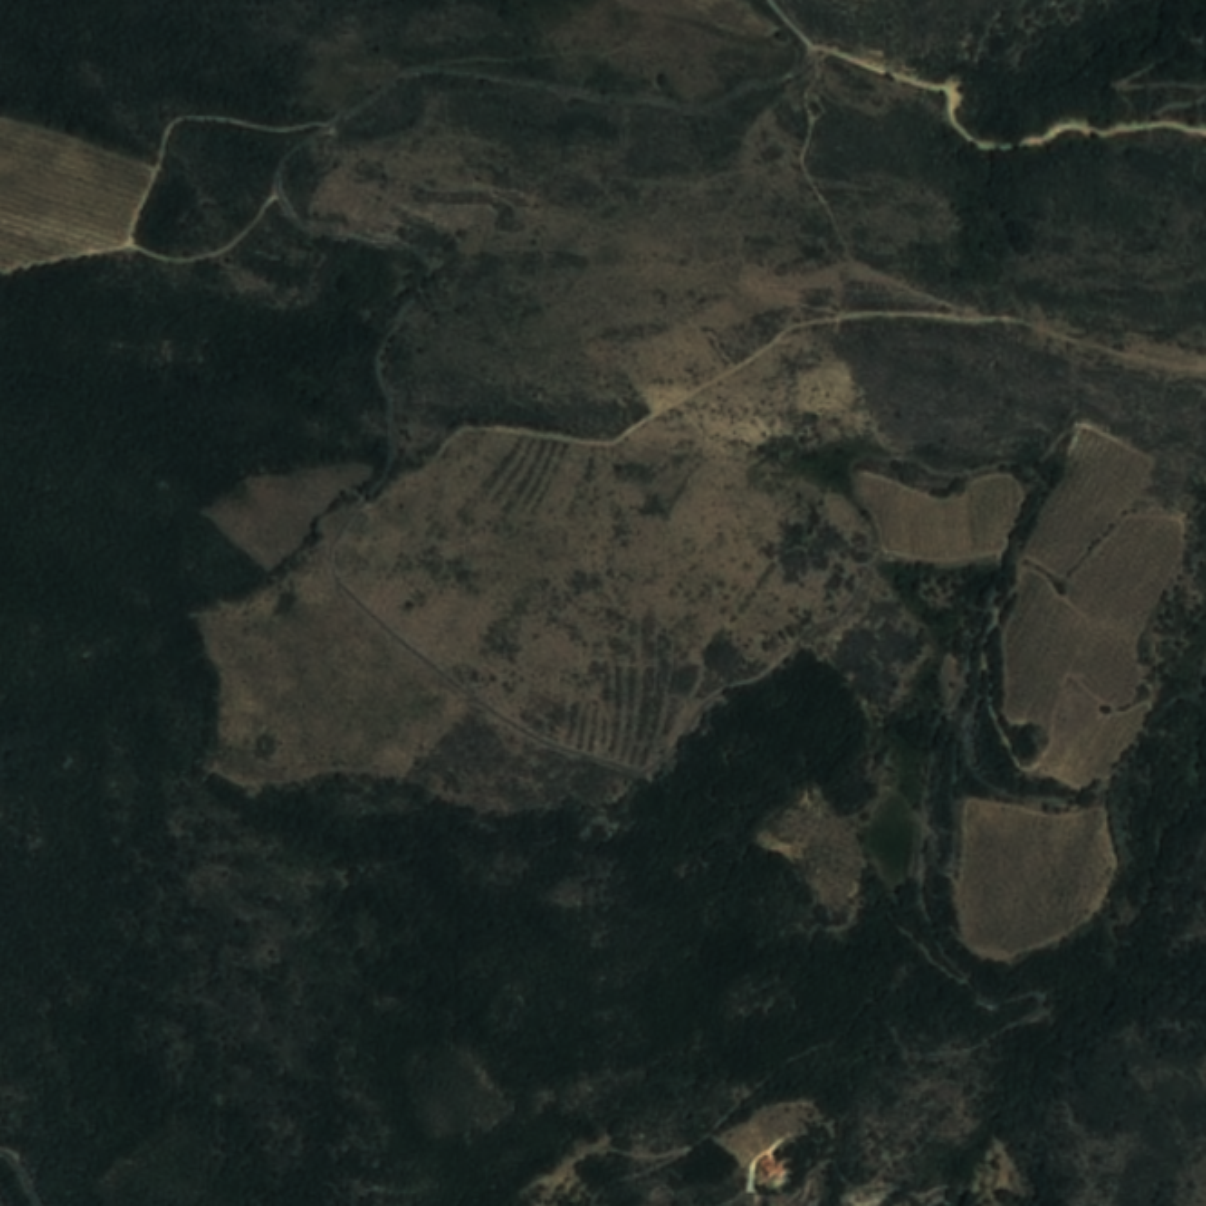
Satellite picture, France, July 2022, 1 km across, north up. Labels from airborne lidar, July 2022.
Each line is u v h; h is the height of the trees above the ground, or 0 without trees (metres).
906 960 8
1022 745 6
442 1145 6
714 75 0
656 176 0
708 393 0
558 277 0
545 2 0
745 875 12
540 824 8
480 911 7
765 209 0
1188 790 7
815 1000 10
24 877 6
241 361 10
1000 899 0
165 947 6
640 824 7
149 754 6
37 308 9
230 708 0
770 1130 0
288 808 6
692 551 0
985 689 7
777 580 0
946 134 6
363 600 0
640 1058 9
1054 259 0
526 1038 6
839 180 0
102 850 7
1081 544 0
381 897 8
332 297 8
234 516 0
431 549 0
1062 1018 8
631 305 0
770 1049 7
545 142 0
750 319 0
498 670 0
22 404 6
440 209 0
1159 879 13
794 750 13
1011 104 11
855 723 11
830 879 0
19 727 7
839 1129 8
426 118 0
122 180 0
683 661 0
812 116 0
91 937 6
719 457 0
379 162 0
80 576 5
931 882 8
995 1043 8
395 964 9
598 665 0
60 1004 6
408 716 0
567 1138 9
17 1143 7
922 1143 9
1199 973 9
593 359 0
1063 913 0
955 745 9
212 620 0
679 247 0
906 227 0
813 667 8
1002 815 0
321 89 0
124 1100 5
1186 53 13
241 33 6
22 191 0
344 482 0
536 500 0
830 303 0
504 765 0
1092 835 0
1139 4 8
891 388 0
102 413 6
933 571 8
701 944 7
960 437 0
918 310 0
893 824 0
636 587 0
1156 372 0
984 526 0
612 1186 6
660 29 0
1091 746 0
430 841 7
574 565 0
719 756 10
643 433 0
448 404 0
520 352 0
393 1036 8
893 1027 7
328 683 0
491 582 0
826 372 0
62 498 7
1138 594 0
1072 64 6
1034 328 0
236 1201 6
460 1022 8
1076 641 0
